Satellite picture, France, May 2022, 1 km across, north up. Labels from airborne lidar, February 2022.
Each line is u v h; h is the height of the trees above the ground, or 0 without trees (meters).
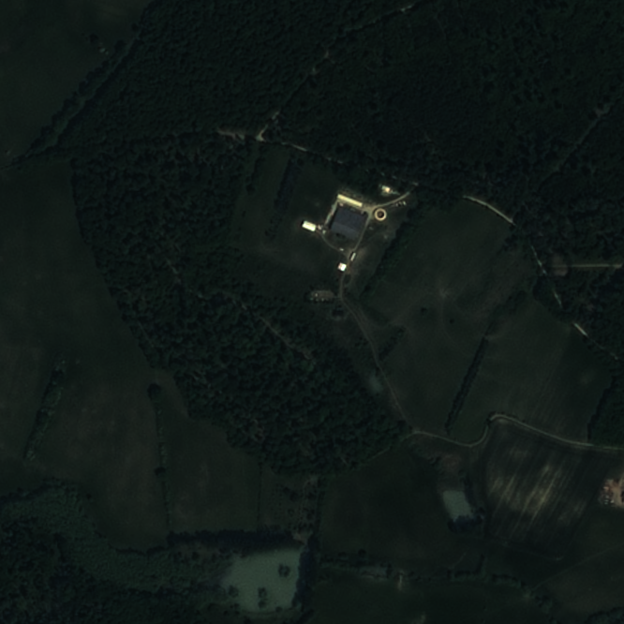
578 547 0
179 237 26
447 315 0
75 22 0
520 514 0
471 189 27
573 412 0
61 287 0
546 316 0
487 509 0
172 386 0
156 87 22
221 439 0
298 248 0
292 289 0
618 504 0
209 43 24
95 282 0
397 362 0
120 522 0
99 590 24
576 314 23
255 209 0
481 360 7
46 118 0
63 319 0
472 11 15
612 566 0
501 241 0
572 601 0
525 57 8
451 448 0
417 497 0
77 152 20
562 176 12
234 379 29
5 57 0
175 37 22
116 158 31
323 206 0
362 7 21
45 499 20
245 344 32
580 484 0
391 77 9
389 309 0
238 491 0
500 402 0
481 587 0
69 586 23
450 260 0
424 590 0
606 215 29
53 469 0
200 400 23
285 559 0
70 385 0
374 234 0
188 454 0
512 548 0
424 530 0
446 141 16
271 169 0
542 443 0
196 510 0
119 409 0
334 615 0
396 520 0
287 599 0
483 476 0
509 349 0
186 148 26
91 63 0
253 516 0
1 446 0
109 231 29
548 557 0
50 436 0
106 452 0
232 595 11
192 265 23
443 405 0
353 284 0
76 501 15
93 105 18
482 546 0
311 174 0
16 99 0
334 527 0
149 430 0
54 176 0
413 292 0
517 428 0
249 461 0
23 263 0
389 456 0
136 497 0
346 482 0
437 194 22
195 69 24
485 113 22
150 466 0
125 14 0
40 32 0
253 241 0
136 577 25
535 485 0
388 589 0
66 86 0
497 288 0
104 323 0
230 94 23
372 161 23
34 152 7
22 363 0
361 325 0
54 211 0
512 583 14
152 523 0
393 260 10
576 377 0
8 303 0
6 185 0
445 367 0
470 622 0
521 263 0
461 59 13
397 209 0
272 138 19
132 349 0
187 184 28
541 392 0
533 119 9
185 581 23
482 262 0
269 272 0
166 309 11
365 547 0
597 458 0
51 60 0
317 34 24
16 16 0
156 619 26
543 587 0
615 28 7
